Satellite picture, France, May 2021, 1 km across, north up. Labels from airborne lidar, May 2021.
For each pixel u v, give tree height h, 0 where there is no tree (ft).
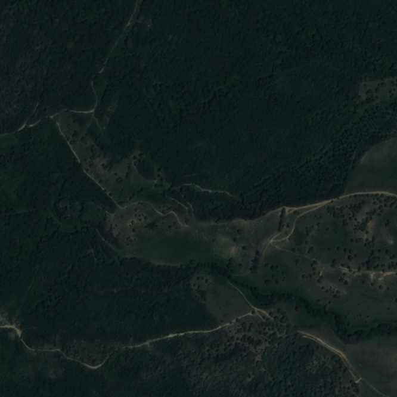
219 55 36
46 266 28
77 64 42
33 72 42
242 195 55
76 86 43
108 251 53
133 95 39
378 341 0
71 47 49
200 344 21
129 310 26
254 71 26
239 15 48
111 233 21
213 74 25
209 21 36
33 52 32
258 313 0
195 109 39
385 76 37
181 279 20
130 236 25
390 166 0
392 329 49
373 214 27
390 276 0
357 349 0
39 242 49
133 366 22
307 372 33
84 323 29
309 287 0
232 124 26
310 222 0
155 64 45
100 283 23
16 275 23
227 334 22
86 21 44
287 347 31
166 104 29
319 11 41
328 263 0
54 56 45
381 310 0
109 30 49
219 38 37
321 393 30
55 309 33
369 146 28
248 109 26
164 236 0
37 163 19
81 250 38
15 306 18
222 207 26
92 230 52
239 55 24
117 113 18
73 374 20
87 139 40
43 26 59
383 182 0
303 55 40
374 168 0
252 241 0
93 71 20
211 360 43
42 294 40
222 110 35
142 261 34
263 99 18
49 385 30
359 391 31
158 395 26
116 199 0
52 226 36
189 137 23
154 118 30
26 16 27
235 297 0
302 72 29
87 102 21
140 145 29
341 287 0
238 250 0
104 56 51
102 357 21
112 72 26
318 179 19
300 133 39
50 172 28
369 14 25
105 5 45
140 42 34
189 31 32
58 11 38
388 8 21
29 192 29
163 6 37
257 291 51
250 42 44
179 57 36
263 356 28
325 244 0
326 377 39
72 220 38
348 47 46
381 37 26
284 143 26
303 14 38
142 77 51
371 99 40
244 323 32
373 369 0
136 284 21
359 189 0
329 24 30
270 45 40
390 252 39
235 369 34
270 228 0
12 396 26
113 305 22
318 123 28
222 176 29
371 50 33
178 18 40
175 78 28
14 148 46
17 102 22
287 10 27
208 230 0
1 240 35
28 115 22
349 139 39
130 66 25
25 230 18
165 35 26
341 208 25
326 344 0
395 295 0
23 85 40
